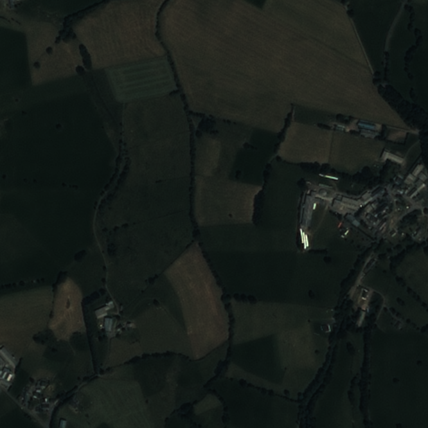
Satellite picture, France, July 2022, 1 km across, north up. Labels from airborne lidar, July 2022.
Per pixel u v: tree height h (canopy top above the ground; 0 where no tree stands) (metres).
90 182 0
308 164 10
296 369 0
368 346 17
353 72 0
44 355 0
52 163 0
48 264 0
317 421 11
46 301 0
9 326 0
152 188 0
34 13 0
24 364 0
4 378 0
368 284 0
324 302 0
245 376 0
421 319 0
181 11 0
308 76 0
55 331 0
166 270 0
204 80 0
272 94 0
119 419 0
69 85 0
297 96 0
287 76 0
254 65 0
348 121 8
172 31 0
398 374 0
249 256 0
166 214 0
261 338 0
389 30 0
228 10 0
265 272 0
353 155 0
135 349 0
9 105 0
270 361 0
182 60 0
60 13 0
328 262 19
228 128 0
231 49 0
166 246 0
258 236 0
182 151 0
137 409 0
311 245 0
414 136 0
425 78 0
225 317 0
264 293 0
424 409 0
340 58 0
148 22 0
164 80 0
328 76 0
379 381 0
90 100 0
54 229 0
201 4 0
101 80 0
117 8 0
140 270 0
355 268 8
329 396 0
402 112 16
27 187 0
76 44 0
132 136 0
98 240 0
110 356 0
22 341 0
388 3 0
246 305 0
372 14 0
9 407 0
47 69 0
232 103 0
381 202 8
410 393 0
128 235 0
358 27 0
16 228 0
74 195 0
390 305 0
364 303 0
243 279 0
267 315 0
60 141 0
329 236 0
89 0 0
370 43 0
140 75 0
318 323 0
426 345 0
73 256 0
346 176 13
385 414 0
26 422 0
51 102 0
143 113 0
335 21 0
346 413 0
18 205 0
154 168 0
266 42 0
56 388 0
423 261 0
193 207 7
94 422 0
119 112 0
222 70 0
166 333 0
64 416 0
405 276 0
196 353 0
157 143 0
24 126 0
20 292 0
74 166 0
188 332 0
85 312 21
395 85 0
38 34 0
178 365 0
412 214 9
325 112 0
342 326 13
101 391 0
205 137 0
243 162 0
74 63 0
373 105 0
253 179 0
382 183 14
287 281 0
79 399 0
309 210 0
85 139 0
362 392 15
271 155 0
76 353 0
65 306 0
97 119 0
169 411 0
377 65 0
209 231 0
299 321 0
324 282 0
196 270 0
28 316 0
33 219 0
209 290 0
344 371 0
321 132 0
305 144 0
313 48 0
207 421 0
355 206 0
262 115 0
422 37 12
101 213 13
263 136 0
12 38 0
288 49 0
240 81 0
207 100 0
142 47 0
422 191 0
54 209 0
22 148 0
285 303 0
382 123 0
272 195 0
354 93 0
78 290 0
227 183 0
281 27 0
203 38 0
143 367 0
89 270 0
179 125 0
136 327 0
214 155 0
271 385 0
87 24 0
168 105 0
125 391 0
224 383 0
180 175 0
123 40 0
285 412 0
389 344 0
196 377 0
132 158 0
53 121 0
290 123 11
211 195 0
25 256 0
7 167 0
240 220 0
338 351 6
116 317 11
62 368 0
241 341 0
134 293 0
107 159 0
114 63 0
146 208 0
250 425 0
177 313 0
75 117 0
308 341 0
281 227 0
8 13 0
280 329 0
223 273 0
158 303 12
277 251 0
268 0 0
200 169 0
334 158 0
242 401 0
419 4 0
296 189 0
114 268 0
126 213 0
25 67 0
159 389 0
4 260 0
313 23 0
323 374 20
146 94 0
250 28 0
